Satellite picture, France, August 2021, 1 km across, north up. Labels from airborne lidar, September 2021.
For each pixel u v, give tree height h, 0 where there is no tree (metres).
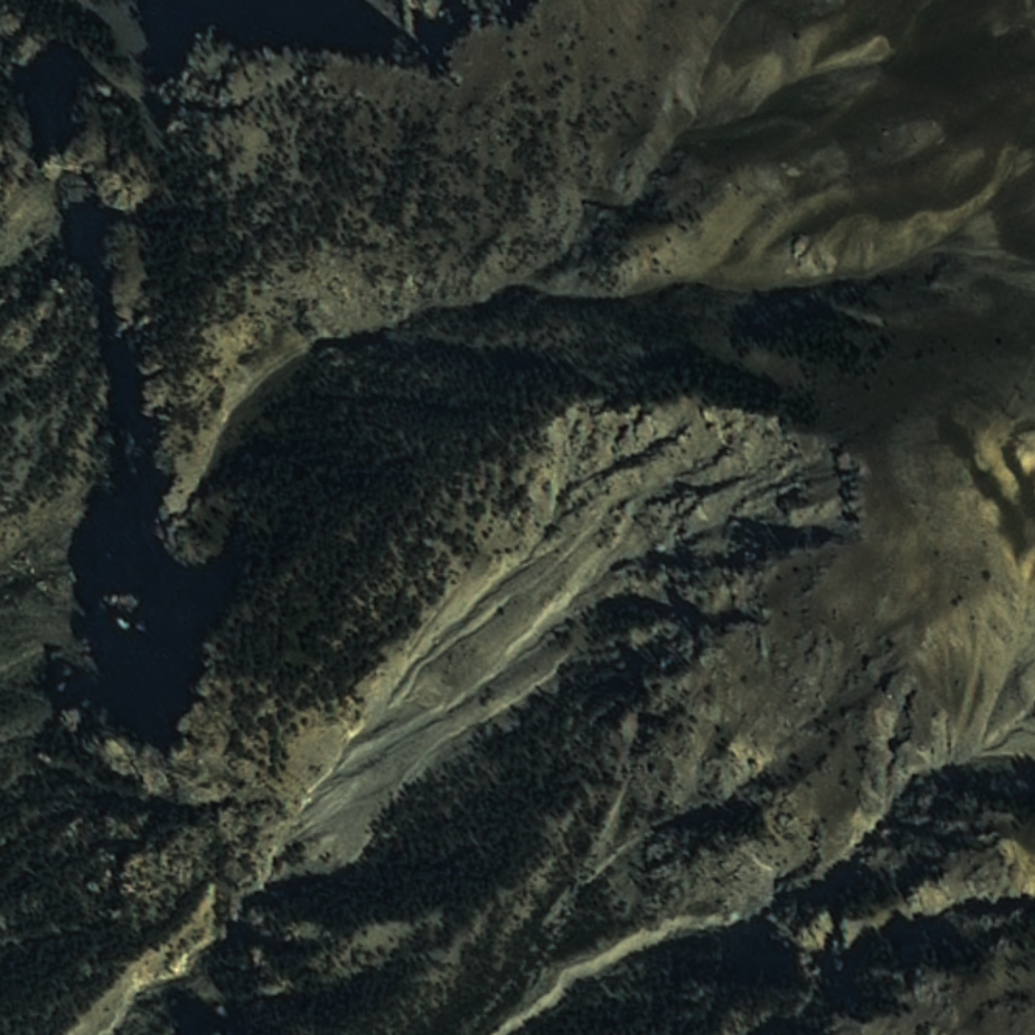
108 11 0
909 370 0
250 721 12
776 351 12
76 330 6
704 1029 12
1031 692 0
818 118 0
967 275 0
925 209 0
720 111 0
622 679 7
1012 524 0
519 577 0
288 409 8
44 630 0
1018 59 0
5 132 13
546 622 0
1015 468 0
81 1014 5
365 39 0
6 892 10
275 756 17
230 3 0
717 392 9
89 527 0
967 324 0
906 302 0
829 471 0
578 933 5
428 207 11
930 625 0
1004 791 0
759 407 10
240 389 0
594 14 0
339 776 0
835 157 0
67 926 12
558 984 0
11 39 10
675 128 0
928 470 0
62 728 12
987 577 8
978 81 0
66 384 6
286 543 11
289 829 0
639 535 0
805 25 0
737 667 0
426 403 9
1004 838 0
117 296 0
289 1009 7
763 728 0
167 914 6
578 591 0
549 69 9
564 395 9
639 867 7
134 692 0
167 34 0
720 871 7
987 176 0
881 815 0
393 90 0
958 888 0
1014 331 0
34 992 8
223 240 9
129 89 0
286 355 0
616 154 0
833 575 0
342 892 11
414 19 0
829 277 0
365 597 10
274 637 9
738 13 0
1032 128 0
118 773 11
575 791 9
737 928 0
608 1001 7
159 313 9
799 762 9
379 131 6
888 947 14
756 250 0
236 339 0
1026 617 0
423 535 6
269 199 7
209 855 9
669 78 0
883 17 0
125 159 8
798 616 0
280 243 9
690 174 0
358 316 0
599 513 0
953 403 0
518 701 0
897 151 0
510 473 6
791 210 0
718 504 0
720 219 0
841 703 0
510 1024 0
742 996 7
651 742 8
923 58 0
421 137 7
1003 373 0
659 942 0
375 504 14
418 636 0
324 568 13
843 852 0
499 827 6
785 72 0
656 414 0
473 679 0
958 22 0
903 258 0
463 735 0
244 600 12
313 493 15
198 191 14
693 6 0
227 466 7
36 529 0
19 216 0
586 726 8
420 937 9
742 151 0
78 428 6
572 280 0
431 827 10
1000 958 0
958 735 0
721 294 0
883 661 0
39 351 8
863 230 0
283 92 8
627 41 0
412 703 0
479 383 7
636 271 0
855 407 0
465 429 10
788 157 0
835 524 0
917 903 7
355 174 7
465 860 12
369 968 9
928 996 0
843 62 0
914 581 0
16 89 16
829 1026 7
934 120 0
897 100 0
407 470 14
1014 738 0
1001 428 0
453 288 0
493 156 6
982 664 0
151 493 0
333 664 15
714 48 0
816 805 0
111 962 13
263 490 11
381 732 0
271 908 8
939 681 0
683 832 10
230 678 7
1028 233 0
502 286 0
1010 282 0
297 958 12
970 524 0
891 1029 0
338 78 0
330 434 7
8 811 9
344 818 0
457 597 0
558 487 0
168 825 11
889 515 0
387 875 12
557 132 11
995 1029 0
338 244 9
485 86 0
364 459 8
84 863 12
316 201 9
